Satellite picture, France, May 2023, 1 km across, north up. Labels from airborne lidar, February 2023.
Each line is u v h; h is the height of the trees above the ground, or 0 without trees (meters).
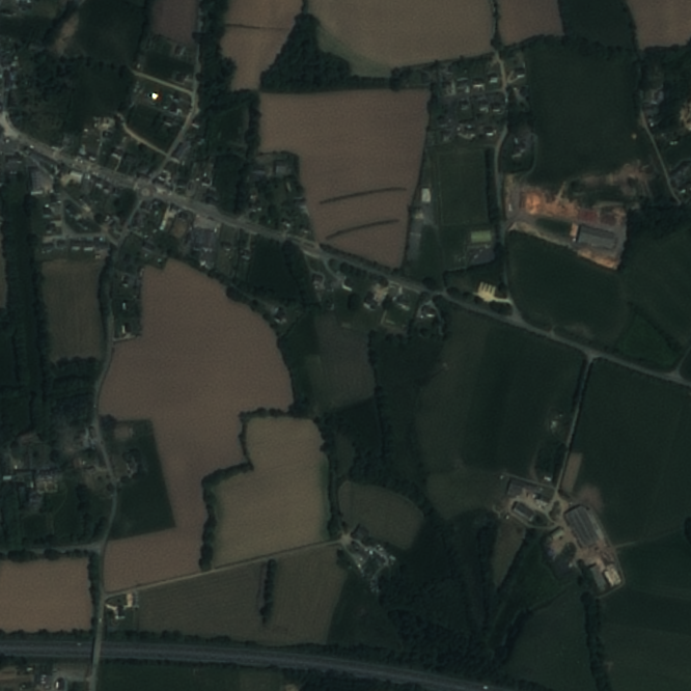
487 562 12
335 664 0
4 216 13
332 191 0
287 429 0
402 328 0
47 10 0
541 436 0
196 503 0
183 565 0
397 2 0
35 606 0
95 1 0
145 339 0
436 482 0
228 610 0
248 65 0
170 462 0
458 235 0
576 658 0
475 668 29
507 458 0
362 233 0
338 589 0
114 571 0
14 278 15
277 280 0
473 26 0
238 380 0
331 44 0
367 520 0
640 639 0
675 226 17
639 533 0
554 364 0
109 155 0
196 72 0
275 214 9
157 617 0
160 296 0
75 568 0
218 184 0
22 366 13
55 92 11
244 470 12
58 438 20
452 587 9
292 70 10
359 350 0
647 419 0
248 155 8
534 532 13
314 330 0
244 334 0
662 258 0
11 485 10
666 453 0
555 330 0
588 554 0
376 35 0
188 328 0
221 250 0
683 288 0
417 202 10
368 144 0
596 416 0
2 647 0
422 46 0
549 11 0
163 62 0
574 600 0
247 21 0
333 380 0
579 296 0
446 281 8
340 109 0
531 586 0
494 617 11
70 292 0
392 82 14
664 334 5
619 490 0
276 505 0
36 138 7
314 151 0
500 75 0
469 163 0
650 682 0
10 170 0
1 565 0
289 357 15
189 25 0
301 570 0
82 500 12
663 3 0
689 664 0
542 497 0
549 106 0
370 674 0
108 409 0
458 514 0
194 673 0
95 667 0
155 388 0
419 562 0
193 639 7
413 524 0
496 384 0
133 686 0
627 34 0
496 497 0
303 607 0
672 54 20
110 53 0
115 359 0
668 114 12
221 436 0
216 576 0
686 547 0
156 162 7
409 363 0
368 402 0
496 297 0
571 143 0
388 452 17
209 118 6
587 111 0
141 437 0
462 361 0
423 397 0
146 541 0
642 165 0
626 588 0
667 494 0
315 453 0
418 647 14
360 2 0
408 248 7
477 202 0
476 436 0
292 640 0
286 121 0
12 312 19
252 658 0
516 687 9
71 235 0
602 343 0
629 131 0
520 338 0
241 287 14
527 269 0
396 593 17
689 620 0
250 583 0
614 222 0
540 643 0
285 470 0
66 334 0
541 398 0
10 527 15
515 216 0
